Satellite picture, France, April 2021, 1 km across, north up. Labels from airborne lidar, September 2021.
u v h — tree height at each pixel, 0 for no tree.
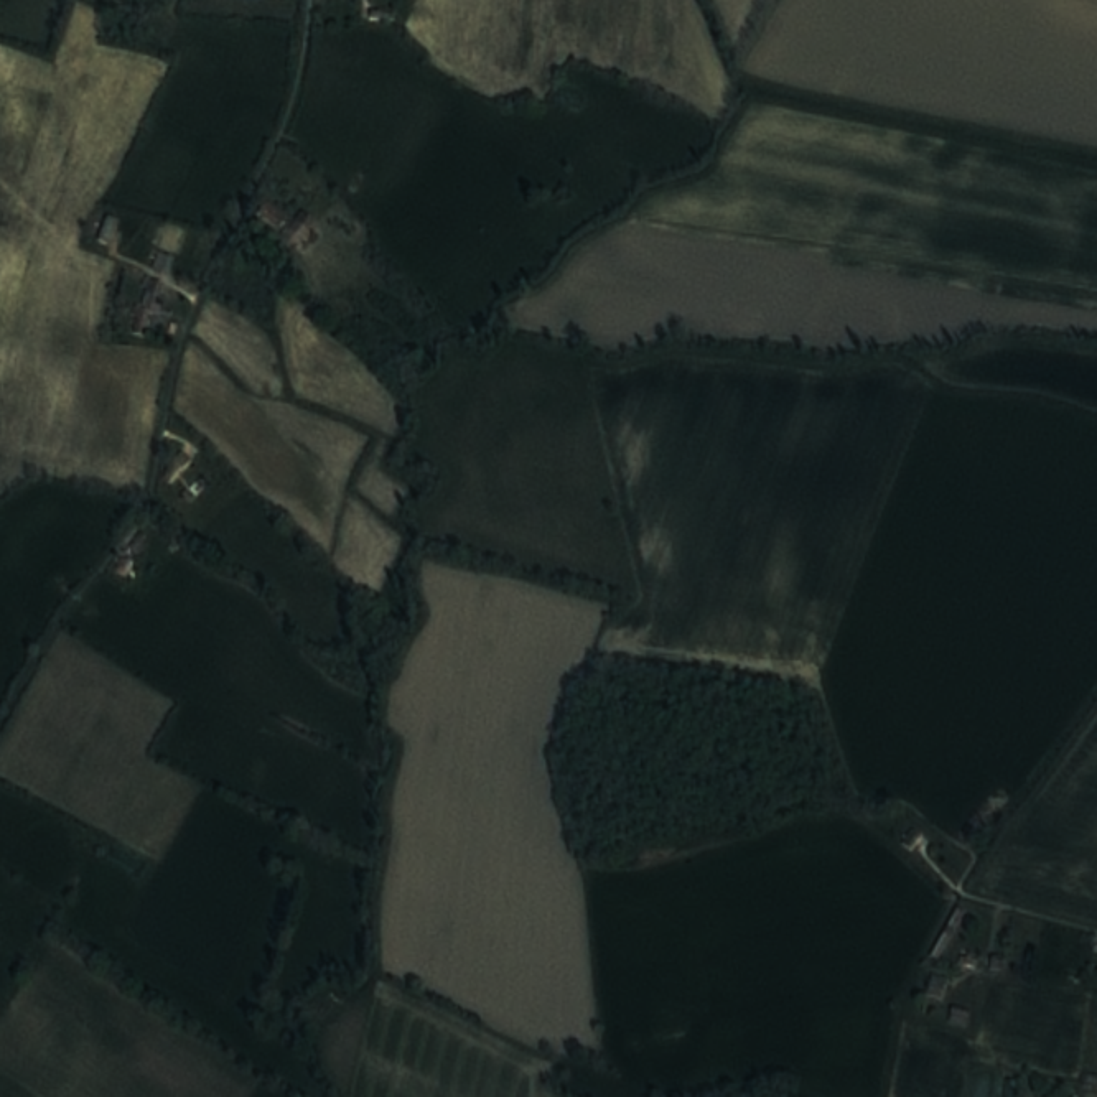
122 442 0
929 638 0
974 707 0
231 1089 0
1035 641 0
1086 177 0
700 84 0
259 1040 12
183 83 0
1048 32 0
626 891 0
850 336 0
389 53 0
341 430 0
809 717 18
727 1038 0
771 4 21
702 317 0
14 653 0
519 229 0
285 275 11
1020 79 0
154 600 0
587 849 9
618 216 13
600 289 0
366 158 0
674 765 23
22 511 0
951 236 0
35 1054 0
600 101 0
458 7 0
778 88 0
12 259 0
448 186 0
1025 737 0
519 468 0
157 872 0
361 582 0
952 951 0
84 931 0
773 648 0
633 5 0
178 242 0
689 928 0
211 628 0
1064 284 0
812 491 0
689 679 15
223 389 0
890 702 0
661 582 0
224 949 0
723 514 0
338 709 0
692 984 0
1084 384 0
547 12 0
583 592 16
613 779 20
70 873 0
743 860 0
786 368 0
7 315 0
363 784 0
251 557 0
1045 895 0
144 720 0
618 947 0
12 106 0
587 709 25
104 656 5
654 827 12
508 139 0
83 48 0
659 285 0
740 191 0
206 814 0
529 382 0
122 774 0
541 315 0
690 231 0
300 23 9
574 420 0
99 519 0
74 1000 0
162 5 16
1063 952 0
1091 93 0
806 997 0
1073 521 0
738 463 0
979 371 0
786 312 0
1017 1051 0
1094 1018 0
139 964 0
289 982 0
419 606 13
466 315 0
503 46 0
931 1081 0
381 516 0
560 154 0
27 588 0
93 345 0
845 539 0
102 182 0
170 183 0
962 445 0
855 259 0
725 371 0
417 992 13
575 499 0
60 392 0
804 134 0
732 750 25
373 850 11
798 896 0
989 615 0
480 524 0
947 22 0
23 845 0
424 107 0
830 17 0
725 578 0
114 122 0
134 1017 0
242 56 0
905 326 0
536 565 0
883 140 0
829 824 0
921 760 0
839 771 11
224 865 0
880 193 0
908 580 0
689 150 0
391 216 0
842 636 0
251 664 0
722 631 0
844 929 0
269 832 0
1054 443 0
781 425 0
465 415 0
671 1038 0
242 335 0
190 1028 22
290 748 0
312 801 0
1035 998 0
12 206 0
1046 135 0
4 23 0
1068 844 0
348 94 0
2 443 0
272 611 9
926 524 0
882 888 0
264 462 0
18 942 0
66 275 0
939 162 0
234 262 23
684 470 0
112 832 0
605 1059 14
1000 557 0
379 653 17
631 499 0
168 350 9
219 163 0
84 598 0
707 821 20
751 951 0
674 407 0
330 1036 0
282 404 0
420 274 0
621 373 0
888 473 0
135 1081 0
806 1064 0
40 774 0
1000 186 0
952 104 0
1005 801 0
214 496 0
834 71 0
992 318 0
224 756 0
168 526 27
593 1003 0
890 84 0
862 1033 0
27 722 0
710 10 17
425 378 22
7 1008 0
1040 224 0
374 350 8
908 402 0
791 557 0
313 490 0
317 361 0
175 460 18
